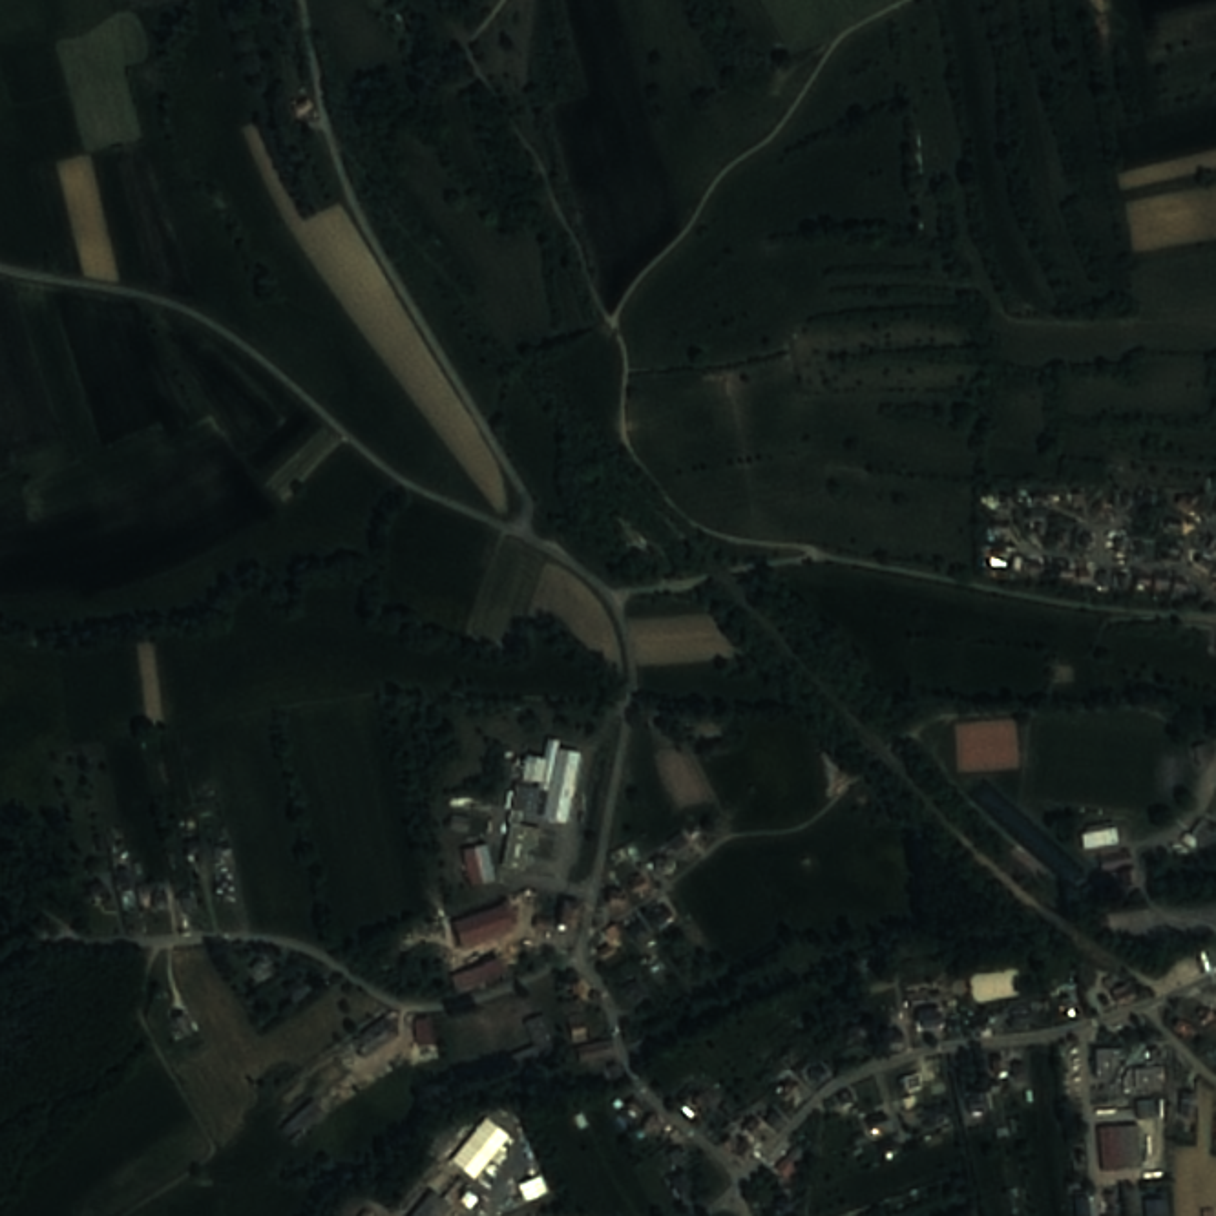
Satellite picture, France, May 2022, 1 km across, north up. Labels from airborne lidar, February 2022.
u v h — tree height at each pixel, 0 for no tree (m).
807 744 0
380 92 15
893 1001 0
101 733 0
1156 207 0
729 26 6
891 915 0
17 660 0
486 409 0
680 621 0
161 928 0
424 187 0
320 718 0
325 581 13
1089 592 8
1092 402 0
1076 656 0
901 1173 0
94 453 0
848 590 0
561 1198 8
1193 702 0
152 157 0
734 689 0
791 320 0
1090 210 0
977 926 21
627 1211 0
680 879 0
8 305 0
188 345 0
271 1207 0
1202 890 20
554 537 0
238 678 0
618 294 0
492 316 0
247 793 0
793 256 0
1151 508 10
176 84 0
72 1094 20
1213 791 0
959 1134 6
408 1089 0
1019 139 6
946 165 0
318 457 0
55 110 0
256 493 0
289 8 16
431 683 0
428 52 16
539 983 0
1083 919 13
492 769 11
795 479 0
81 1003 16
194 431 0
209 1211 0
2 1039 16
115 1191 0
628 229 0
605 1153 0
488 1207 0
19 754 0
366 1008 0
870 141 0
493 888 0
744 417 0
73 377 0
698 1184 12
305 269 0
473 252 0
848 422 0
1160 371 0
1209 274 0
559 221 0
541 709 0
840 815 0
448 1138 0
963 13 0
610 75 0
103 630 16
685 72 0
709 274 0
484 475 0
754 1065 0
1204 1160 0
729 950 0
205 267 0
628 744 0
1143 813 0
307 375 0
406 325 0
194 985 0
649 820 0
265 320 0
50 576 0
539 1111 22
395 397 0
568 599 0
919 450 0
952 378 0
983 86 0
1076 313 14
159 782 0
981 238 8
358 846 0
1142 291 0
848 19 0
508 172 10
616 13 0
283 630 0
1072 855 0
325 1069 0
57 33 0
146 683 0
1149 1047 0
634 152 0
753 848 0
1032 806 0
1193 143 0
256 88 15
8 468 0
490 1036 0
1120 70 6
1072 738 0
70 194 0
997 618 0
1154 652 0
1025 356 0
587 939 0
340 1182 15
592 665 16
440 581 0
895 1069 0
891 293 7
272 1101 0
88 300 0
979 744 0
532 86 9
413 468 0
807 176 0
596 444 9
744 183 0
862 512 0
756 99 0
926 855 31
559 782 0
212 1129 0
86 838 0
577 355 0
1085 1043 0
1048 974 5
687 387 0
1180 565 0
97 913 0
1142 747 0
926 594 0
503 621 0
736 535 0
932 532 0
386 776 0
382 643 0
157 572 0
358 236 0
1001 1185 0
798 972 0
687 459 0
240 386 0
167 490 0
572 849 0
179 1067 0
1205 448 0
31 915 27
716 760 0
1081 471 6
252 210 0
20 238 0
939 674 0
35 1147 20
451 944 0
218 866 0
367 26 0
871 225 11
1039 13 0
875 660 0
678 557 16
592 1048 0
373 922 0
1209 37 0
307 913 0
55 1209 0
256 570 13
